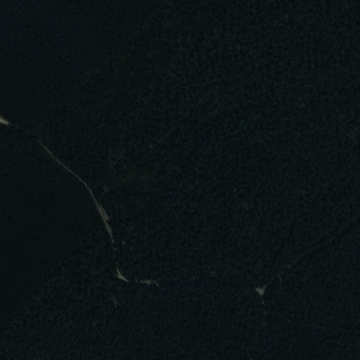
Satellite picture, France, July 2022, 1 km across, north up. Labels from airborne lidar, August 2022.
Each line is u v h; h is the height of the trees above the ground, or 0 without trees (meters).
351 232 28
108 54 25
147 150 29
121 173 6
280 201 28
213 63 28
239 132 32
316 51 29
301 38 29
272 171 33
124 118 7
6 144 20
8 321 17
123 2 22
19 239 15
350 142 33
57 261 26
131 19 27
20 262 14
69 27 24
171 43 7
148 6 22
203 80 33
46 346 23
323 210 25
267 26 31
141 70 11
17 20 29
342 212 30
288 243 27
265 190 29
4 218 15
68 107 22
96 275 6
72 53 21
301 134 31
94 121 9
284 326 23
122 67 7
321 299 23
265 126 33
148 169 6
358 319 33
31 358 26
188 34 32
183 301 30
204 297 31
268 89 7
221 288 24
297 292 25
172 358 32
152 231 27
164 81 25
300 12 25
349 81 25
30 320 26
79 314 28
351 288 27
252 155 33
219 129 33
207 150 31
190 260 29
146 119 25
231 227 32
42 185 11
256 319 29
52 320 8
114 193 21
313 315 25
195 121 8
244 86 29
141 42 8
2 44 24
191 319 26
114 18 18
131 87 8
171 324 28
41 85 32
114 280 25
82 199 16
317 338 34
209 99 10
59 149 15
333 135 30
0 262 14
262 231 29
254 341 22
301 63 31
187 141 27
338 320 28
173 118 17
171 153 29
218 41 28
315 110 29
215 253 30
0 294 14
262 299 18
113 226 17
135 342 28
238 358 29
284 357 23
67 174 21
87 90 16
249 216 30
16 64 27
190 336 30
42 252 13
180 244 34
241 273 29
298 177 30
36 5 27
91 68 25
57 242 16
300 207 30
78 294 35
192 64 10
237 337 31
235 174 31
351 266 26
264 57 28
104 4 20
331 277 8
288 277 26
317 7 28
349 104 31
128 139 30
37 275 18
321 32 29
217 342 28
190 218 34
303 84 30
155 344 27
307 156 28
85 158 17
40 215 14
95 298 29
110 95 8
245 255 21
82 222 18
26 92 18
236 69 29
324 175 29
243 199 31
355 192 26
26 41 33
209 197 34
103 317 28
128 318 35
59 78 30
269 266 22
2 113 15
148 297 26
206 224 31
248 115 30
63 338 22
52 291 30
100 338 27
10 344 31
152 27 9
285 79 29
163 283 22
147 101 25
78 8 24
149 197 7
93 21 22
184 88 6
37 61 30
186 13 5
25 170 9
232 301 27
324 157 30
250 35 33
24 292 13
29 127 19
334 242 29
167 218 33
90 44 26
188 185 35
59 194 16
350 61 29
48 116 27
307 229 29
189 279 19
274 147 34
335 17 31
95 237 8
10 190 9
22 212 18
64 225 11
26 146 19
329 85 27
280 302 28
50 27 28
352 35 30
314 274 6
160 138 31
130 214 7
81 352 29
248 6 27
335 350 26
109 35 21
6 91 17
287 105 27
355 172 27
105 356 29
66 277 32
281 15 23
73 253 16
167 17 27
